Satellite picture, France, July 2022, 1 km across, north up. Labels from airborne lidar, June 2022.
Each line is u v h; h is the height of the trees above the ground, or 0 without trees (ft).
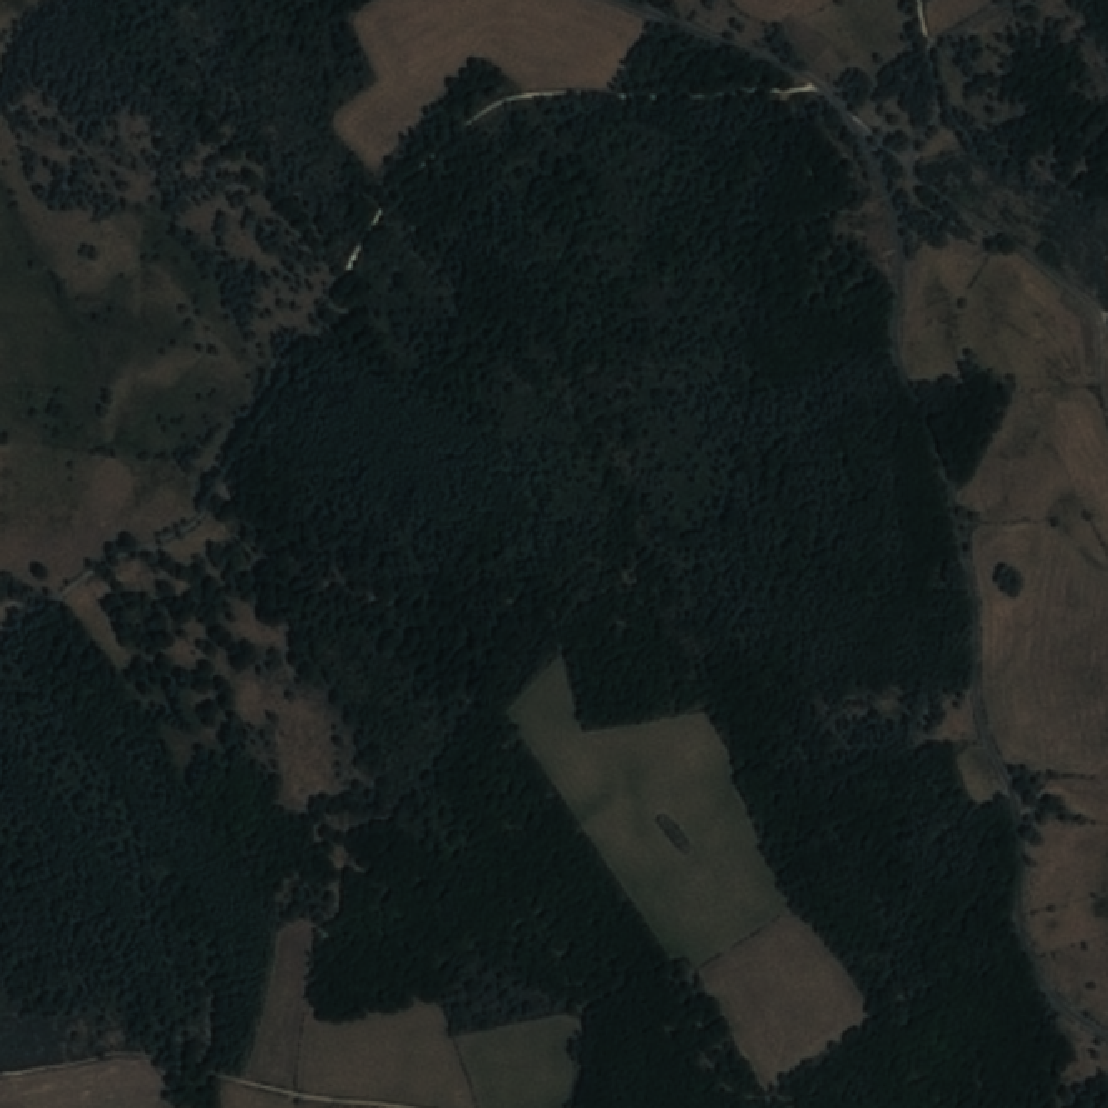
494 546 43
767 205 52
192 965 43
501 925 31
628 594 21
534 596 33
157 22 38
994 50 31
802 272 41
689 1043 42
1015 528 0
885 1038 37
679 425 42
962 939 48
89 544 0
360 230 18
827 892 36
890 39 0
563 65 0
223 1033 59
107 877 52
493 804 37
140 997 53
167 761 45
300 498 34
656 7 36
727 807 0
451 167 41
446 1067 0
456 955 44
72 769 28
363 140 0
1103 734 0
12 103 29
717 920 0
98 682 59
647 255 33
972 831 66
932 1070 39
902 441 62
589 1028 49
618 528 38
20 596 57
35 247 0
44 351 0
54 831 58
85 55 42
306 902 32
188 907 53
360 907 37
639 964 46
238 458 39
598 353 25
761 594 51
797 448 61
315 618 26
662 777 0
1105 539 0
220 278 40
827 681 60
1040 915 0
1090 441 0
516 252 31
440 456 60
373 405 61
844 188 46
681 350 29
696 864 0
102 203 29
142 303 0
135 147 0
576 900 36
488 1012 21
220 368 0
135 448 0
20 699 52
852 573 56
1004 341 0
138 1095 0
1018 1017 52
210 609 45
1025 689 0
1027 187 31
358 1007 44
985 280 0
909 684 47
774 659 56
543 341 33
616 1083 34
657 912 0
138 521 0
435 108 34
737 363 35
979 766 0
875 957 25
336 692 31
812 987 0
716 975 0
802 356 49
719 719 46
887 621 62
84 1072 0
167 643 61
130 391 0
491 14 0
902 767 42
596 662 35
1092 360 0
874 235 0
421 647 52
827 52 0
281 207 58
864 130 0
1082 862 0
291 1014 0
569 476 25
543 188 40
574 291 25
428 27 0
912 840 66
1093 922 0
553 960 36
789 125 59
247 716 0
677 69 28
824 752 42
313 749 0
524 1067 0
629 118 42
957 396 46
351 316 35
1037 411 0
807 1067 34
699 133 46
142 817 58
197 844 54
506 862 34
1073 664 0
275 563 56
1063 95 48
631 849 0
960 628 61
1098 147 31
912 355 0
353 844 39
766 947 0
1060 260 0
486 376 34
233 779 41
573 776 0
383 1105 0
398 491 54
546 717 0
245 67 21
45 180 0
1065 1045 58
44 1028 0
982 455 37
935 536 60
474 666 42
